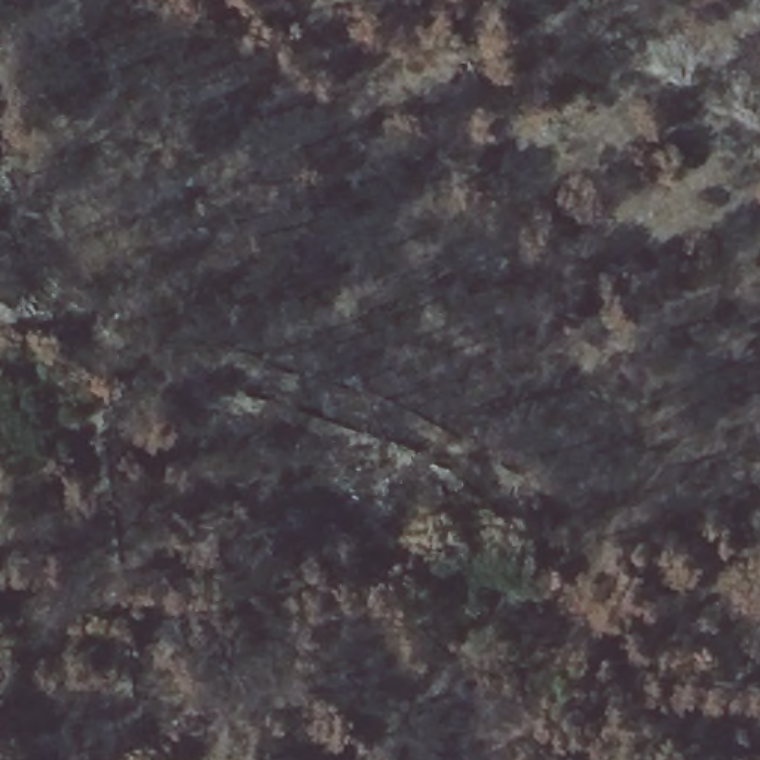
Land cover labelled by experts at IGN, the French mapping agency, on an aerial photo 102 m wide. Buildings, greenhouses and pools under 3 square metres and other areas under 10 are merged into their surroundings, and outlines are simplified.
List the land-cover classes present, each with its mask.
<instances>
[{"label":"bare soil","instance_id":"1","mask_svg":"<svg viewBox=\"0 0 760 760\"><path fill-rule=\"evenodd\" d=\"M710 0H505V56L511 65L508 86H496L487 74L454 71L451 80L436 83L428 95L383 104L371 116L356 119L350 116V104L368 86V71L353 74L350 80H330V98L318 101L315 95L297 92L291 77L279 71L276 56L267 48L240 50V45L229 33L199 39L193 33H175L163 15H154L143 0H0V321L15 324V330L27 335H53L59 341V353L65 359H74L77 368L95 374L107 386H122V398L113 401V413L104 419L110 430H122L128 439L148 451L172 448L175 436L181 433L184 439L196 442L199 454L193 469L199 478H208L211 484L235 481L238 487L246 484L249 490L261 493L270 502V511L276 514V525H350L353 537L362 546H374L377 552L395 549L401 543L407 525L416 520V508H430V514H448L454 523V534L469 546V552L481 555L484 537L478 514L493 511L502 520H525V540L534 543V576L558 573L564 582H576L591 564L582 537L594 525L609 523L612 514L620 508H635V523L656 525L692 520L698 508L710 499L745 496L760 502V282H754V303L736 300V285L742 273L736 252L745 249L754 238H760V202L742 205L733 214H727L698 240L692 252H686V243L677 235L668 240H656L638 223H623L612 232L606 226H594L591 220L576 223L558 205L561 169L555 166V151L549 145L520 148L514 137V122L520 116L561 110L573 98H588V113L615 104L618 95L609 89L612 71L618 65H626L632 56H641L647 50V42H665L695 27L701 6ZM392 110L419 116L416 122L422 125V131L413 140V145L386 157H368L356 151L362 143L380 137L383 122L392 119ZM475 110L487 113V125L493 134L490 145L472 143L469 137V122ZM448 157L475 160L481 169V184L505 208L496 240L481 238L463 214H448L439 220L425 214L419 217L413 232H395V217L401 205L419 199L430 184L448 181V175L439 166ZM540 211L552 217V232L537 261L525 264L520 252V229H528V238H534V214ZM600 276L612 279V288L620 297L623 318L632 321L635 350H618L606 365L582 371L570 359L564 327H579L585 341L594 347L609 341V327L600 315ZM160 552L157 543L125 528V502L113 484L107 493L95 496L92 511L77 523L65 505V490L59 481L42 475L39 481L9 487L0 472V629L6 638H12L15 665L6 704L0 707V760H208L211 748L202 739H169L160 730L184 707L160 704L157 695H151L145 671L154 665V647L137 650V641L131 635L134 623L151 606V594H134V579L140 576L143 561ZM751 620L742 629V650L748 653V659L736 671L739 680L751 674L760 689V615H745Z\"/></svg>","mask_w":760,"mask_h":760},{"label":"coniferous trees","instance_id":"2","mask_svg":"<svg viewBox=\"0 0 760 760\"><path fill-rule=\"evenodd\" d=\"M154 15H163L175 33H193L199 39L229 33L240 45V50L267 48L276 56L279 71L291 77L297 92L315 95L318 101L330 98V80H350L353 74L368 71V86L350 104V116L356 119L371 116L383 104L428 95L436 83L451 80L454 71L487 74L496 86H508L511 65L505 56V0H143ZM609 89L618 95L615 104L588 113V98H573L561 110L520 116L514 122V137L520 148L549 145L555 151V166L561 169L558 205L576 223L591 220L594 226H606L612 232L623 223H638L656 240H668L677 235L686 243V252H692L698 240L727 214H733L742 205L760 202V0H710L701 6L695 27L665 42H647V50L641 56H632L626 65H618L612 71ZM419 116L392 110V119L383 122L380 137L362 143L356 151L368 157H386L413 145V140L422 131V125L416 122ZM469 137L472 143L490 145L493 134L487 125V113L475 110L469 122ZM439 166L448 175V181L430 184L419 199L401 205L395 217V232H413L419 217L425 214L439 220L448 214H463L481 238L496 240L505 208L481 184V169L475 160L448 157ZM534 238H528V229H520V252L525 264L537 261L552 232V217L540 211L534 214ZM742 273L736 285V300L754 303V282H760V238H754L745 249L736 252ZM600 315L609 327V341L594 347L585 341L579 327H564L570 359L582 371L606 365L618 350H635L632 321L623 318L620 297L612 288V279L600 276ZM122 398V386H107L95 374L77 368L74 359H65L59 353V341L53 335H27L15 330V324L0 321V472L9 487L39 481L42 475L59 481L65 490V505L77 523L92 511L95 496L107 493L113 484L125 502V528L157 543L160 552L143 561L140 576L134 579V594H151V606L134 623L131 635L137 641V650L154 647V665L145 671L151 695H157L160 704L184 707L160 730L169 739H202L211 748L208 760H760V689L751 674L739 680L736 671L748 659V653L742 650V629L751 620L745 615H760V502L745 496L710 499L698 508L692 520L656 525L635 523V508H620L612 514L609 523L594 525L582 537L591 564L576 582H564L558 573L534 576V543L525 540V520H502L493 511L478 514L484 537L481 555L469 552V546L454 534V523L448 514H430V508H416V520L407 525L401 543L395 549L377 552L374 546H362L353 537L350 525H276V514L270 511V502L261 493L249 490L246 484L238 487L235 481L211 484L208 478H199L193 469L199 454L196 442L184 439L181 433L175 436L172 448L148 451L128 439L122 430H110L104 419L113 413V401ZM15 665L12 638H6L0 629V707L6 704Z\"/></svg>","mask_w":760,"mask_h":760}]
</instances>
